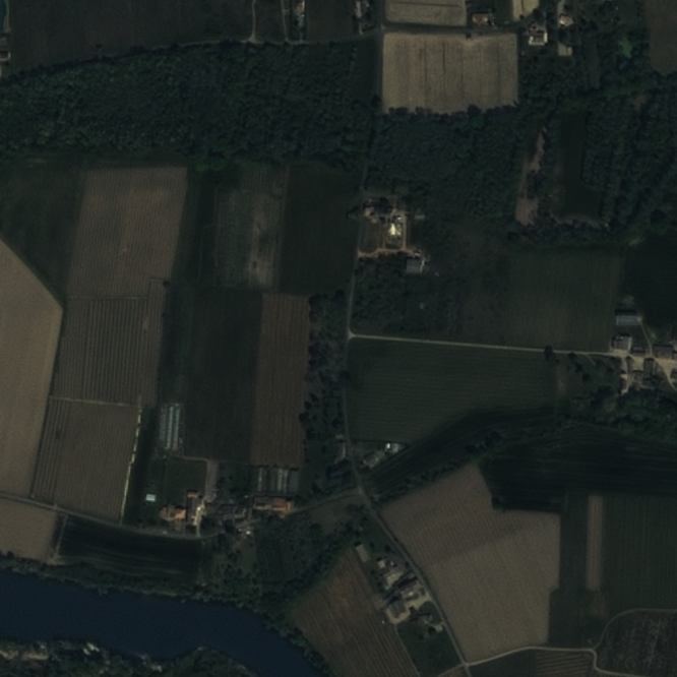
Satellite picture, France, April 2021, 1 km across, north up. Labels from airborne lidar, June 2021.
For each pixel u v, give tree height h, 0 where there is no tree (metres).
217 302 0
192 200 0
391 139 18
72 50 0
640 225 20
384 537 0
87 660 25
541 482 0
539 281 0
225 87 21
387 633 0
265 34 0
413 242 0
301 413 0
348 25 0
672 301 0
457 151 24
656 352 0
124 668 11
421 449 0
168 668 8
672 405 13
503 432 0
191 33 0
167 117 14
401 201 14
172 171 0
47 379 0
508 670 0
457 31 0
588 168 15
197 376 0
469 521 0
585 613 0
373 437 0
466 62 0
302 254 0
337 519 0
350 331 0
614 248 0
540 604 0
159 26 0
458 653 0
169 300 0
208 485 0
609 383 12
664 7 0
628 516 0
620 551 0
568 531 0
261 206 0
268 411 0
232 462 0
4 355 0
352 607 0
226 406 0
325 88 9
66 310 0
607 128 15
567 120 0
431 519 0
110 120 15
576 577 0
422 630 0
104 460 0
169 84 13
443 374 0
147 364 0
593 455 0
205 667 12
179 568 0
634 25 0
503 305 0
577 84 12
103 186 0
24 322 0
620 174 9
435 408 0
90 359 0
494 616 0
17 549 0
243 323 0
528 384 0
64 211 0
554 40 14
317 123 9
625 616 0
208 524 15
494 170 22
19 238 0
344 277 0
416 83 0
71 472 0
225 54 21
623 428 20
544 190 24
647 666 0
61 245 0
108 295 0
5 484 0
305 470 0
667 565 0
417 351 0
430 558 0
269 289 0
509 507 0
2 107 18
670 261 0
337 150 7
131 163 0
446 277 0
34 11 0
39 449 0
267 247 0
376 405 0
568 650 0
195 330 0
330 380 16
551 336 0
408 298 8
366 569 0
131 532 0
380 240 0
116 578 12
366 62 0
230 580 10
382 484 0
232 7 0
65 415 0
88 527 0
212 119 26
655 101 14
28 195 0
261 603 13
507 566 0
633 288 0
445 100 0
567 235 17
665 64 0
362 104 8
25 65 0
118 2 0
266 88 9
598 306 0
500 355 0
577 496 0
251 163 14
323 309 16
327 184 0
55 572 11
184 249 0
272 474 7
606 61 8
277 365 0
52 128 22
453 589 0
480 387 0
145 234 0
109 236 0
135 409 0
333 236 0
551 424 0
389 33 0
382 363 0
